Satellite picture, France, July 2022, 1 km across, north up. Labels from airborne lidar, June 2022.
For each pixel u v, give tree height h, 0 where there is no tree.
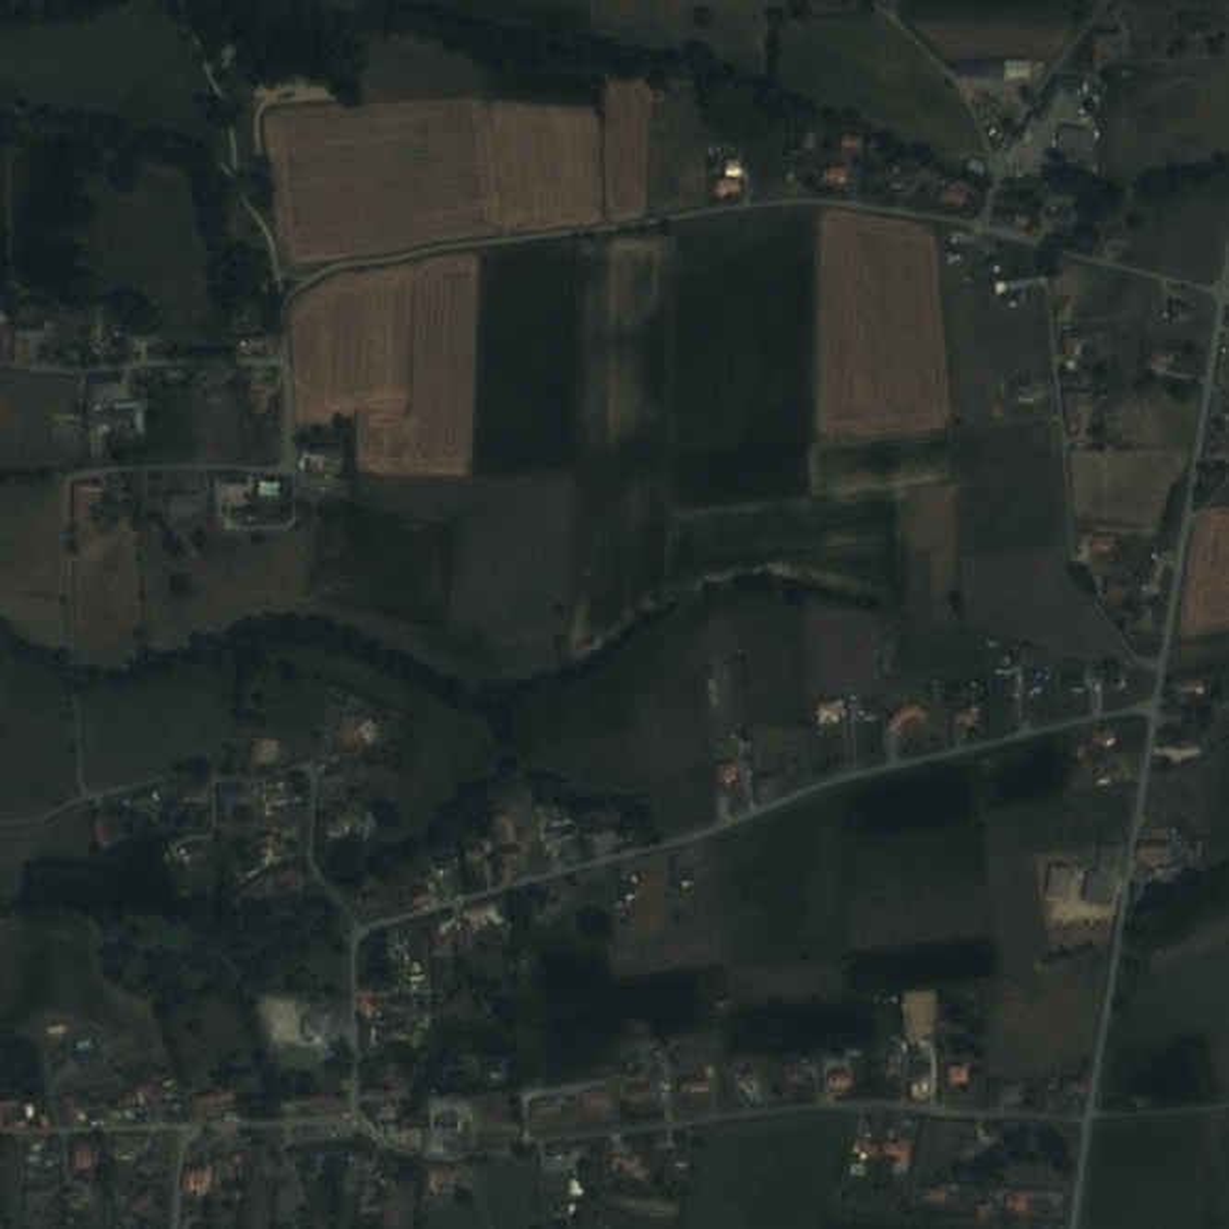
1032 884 0
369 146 0
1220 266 0
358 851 21
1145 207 0
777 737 0
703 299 0
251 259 14
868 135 7
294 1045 0
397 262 0
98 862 13
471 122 0
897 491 0
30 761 0
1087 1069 7
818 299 0
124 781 0
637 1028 0
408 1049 9
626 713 0
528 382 0
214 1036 0
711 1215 0
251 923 25
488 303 0
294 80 18
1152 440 0
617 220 0
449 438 0
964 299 0
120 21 0
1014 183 10
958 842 0
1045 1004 0
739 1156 0
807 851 0
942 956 0
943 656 0
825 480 0
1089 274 0
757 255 0
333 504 0
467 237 0
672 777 0
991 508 0
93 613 0
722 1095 0
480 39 28
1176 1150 0
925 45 0
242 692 13
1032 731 0
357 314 0
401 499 0
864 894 0
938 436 0
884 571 0
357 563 0
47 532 0
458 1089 12
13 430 0
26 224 0
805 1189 0
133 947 19
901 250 0
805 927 0
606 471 0
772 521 0
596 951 0
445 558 0
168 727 0
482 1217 0
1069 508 0
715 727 0
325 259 0
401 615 0
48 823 0
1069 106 0
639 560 0
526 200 0
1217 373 0
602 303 0
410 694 0
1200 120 0
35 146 0
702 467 0
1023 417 0
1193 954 0
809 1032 0
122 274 0
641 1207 0
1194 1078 0
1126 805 0
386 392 0
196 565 0
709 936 0
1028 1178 0
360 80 15
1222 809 0
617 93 0
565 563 0
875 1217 0
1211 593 0
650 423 0
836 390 0
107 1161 6
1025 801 0
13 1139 8
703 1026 0
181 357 8
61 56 0
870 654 0
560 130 0
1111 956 0
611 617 0
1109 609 0
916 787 0
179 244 0
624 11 0
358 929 0
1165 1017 0
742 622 0
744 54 0
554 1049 0
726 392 0
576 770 0
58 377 0
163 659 18
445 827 19
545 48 25
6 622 14
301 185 0
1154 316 0
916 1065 0
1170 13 0
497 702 26
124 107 0
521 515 0
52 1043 0
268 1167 0
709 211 0
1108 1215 0
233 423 0
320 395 0
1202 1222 0
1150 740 0
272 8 25
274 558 0
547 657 0
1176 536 0
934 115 0
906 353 0
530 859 0
